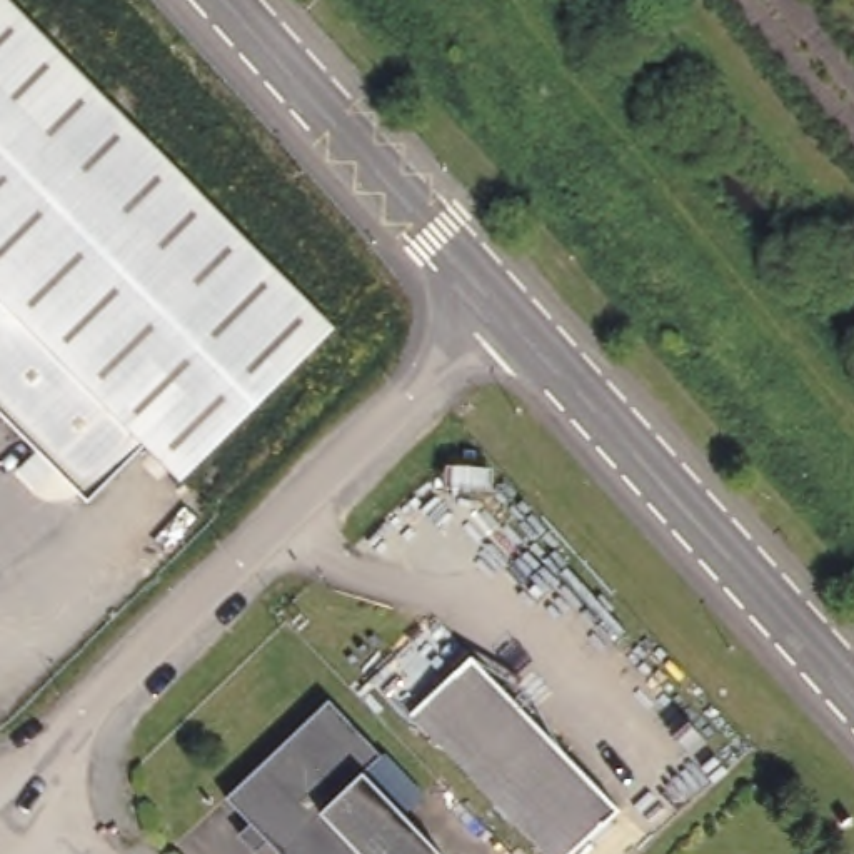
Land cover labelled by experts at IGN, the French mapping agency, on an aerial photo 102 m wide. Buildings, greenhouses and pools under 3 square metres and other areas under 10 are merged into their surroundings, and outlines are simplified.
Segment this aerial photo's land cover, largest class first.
<instances>
[{"label":"herbaceous vegetation","instance_id":"1","mask_svg":"<svg viewBox=\"0 0 854 854\"><path fill-rule=\"evenodd\" d=\"M107 97V103L117 113H123L237 227V234L247 244H254L260 257L274 264L334 327L330 337L187 477L190 490L197 494V520L187 530V537L170 550L163 564H157L143 580H137L130 594L110 604L103 617L67 654H60L13 701L7 714H0V741H7L13 727L23 721L43 724L50 711L60 707L67 691H73L90 674V667L183 574H190L203 557L214 554V547L227 534L240 527V520L264 500V494L327 427L347 417L360 400H367L384 384V377L397 370L410 330V297L390 277V270L370 254L357 227L317 190V183L284 147V140L274 130H267L247 110L244 100H237L224 87L220 73L207 63V57L190 47V40L167 20V13L153 0H10ZM337 43V50L357 67V73L364 77L367 103L377 110L390 87L410 73L427 97L447 107L437 120H420L410 133L420 137L424 147L470 193L474 217L480 224L497 203L534 200L537 227L504 250L507 257L530 260L540 270V277L560 294V300L590 327L610 307H617L627 317L624 327L637 340L617 367L630 370L687 430V437L707 454L711 440L721 434L741 444L744 467L724 480V490L747 497L764 517V524L771 530H781L784 540L801 554V560L811 567L817 594L831 580L854 584V354L834 340L831 317L854 307V274L847 270L841 280H814L791 270V277L761 280L751 267V257L764 250L767 237H791L804 227H817L821 234H827V240L844 237L854 247V177L817 150L814 137L801 133L794 110L781 103L774 87L751 63L747 50L731 37V30L714 10L704 7V0H694L691 17L681 27L667 33H644L634 23L624 37H597L587 60L567 70L557 57V0H297ZM671 50H697L701 57L714 60L721 70V90L754 127V140L724 167L731 177H717L704 163L687 167L654 153L651 147L657 137L647 127H630L624 117L627 80L644 63L664 60ZM467 404L457 414L444 410L440 424L417 447H410L380 477V484L354 507V514L344 524V537L357 544L367 540L370 524H387V517L397 507H404L420 484L437 480L447 467H484L490 470V477L507 474L514 490L524 494V500L530 504L534 517L554 524L567 540H574L577 550L590 557V564L607 580V604L624 630L620 637L627 641V647H644V664L651 667V674H657L661 684L674 687L667 704H684L687 727L701 734V747H714V761L727 774L704 797H697L684 817L671 821L657 834V841H651L641 854H794L787 831H781L761 804L771 791H784L794 777H801V784L817 794L814 814L827 817L831 804H844L837 854H854V761L801 711V704L781 687V681L694 594V587L664 560V554L637 530V524L584 470V464L544 424L530 417V407L504 380L470 384L464 387ZM744 774H754V801H737V807L711 834H704V811H711L724 797L731 777ZM414 617L357 600L324 577L280 574L260 590L257 600L247 604L240 617H234L227 634L193 667H187L180 677H173L167 691L157 694V704L140 717L127 747V781L133 784L130 807L143 827V837L153 847L180 841L210 811L220 807V797L234 791L274 747H280L327 701V694L377 744H384V751L424 791L434 787V781H444L457 794V801L477 817V824L490 831V841L520 854H537L520 831H514L490 807L487 794L447 754L434 751L424 734H414L407 721H400L397 711L370 714L350 694L360 674L347 664L344 651L354 634L377 630L384 644L394 654H400L397 644L404 641L407 624ZM180 721H200L207 731L220 734L224 751L217 754V761L200 767L180 751Z\"/></svg>","mask_w":854,"mask_h":854},{"label":"impervious surface","instance_id":"2","mask_svg":"<svg viewBox=\"0 0 854 854\"><path fill-rule=\"evenodd\" d=\"M167 13V20L190 40V47L207 57V63L220 73L224 87L237 100H244L247 110L267 130H274L284 140V147L317 183V190L357 227L370 254L390 270V277L410 297V330L397 370L384 377V384L367 400H360L347 417L327 427L264 494V500L240 520V527L227 534L214 547V554L203 557L190 574H183L90 667V674L73 691H67L60 707L50 711L43 724L23 721L13 727L7 741H0V854H277L270 844L250 847L237 834L244 827V817L220 807L210 811L180 841L153 847L143 837V827L130 807L133 784L127 781V747L140 717L157 704V694L167 691L173 677H180L187 667H193L227 634L234 617H240L247 604L257 600L260 590L280 574L324 577L357 600L414 617L407 624L404 641L397 644L400 654H394L384 644L377 630L354 634L344 651L347 664L360 674L350 694L370 714L397 711L400 721H407L410 711L457 664H464L467 657L487 664L494 681L510 697H517L530 721L540 724L560 744V751L617 804L610 817L600 821L567 854H641L651 841H657V834L671 821L684 817L697 797H704L727 774L714 761V747H701V734L687 727L684 704H667L674 687L661 684L657 674H651V667L644 664V647H627V641L620 637L624 630L607 604V580L590 564V557L577 550L574 540H567L554 524L534 517L530 504L524 500V494L514 490L507 474L490 477V470L484 467H447L437 480L420 484L404 507H397L387 517V524H370L367 540L357 544L344 537V524L354 514V507L380 484V477L410 447H417L440 424L444 410L457 414L467 404L464 387L470 384L504 380L530 407V417L544 424L584 464V470L637 524V530L664 554V560L694 587V594L781 681V687L801 704V711L854 761V634L824 610L817 594L811 567L801 560V554L784 540L781 530H771L764 524V517L747 497L724 490V480L711 467L707 454L687 437V430L630 370L617 367L604 357L590 327L560 300V294L540 277V270L530 260L507 257L504 250L490 244L480 224L474 217L470 193L424 147L420 137L410 133L387 130L377 110L367 103L364 77L357 73V67L337 50V43L297 0H153ZM150 450L130 447L120 460H113L100 477L87 484L50 447L30 440L17 417L0 407V714H7L13 701L60 654H67L103 617L110 604L130 594L137 580H143L157 564H163L170 550L187 537V530L197 520V494L190 490L187 477L150 474ZM424 821L430 824V834H437L447 854H520L490 841V831L477 824V817L457 801V794L444 781H434V787L424 791Z\"/></svg>","mask_w":854,"mask_h":854},{"label":"building","instance_id":"3","mask_svg":"<svg viewBox=\"0 0 854 854\"><path fill-rule=\"evenodd\" d=\"M334 327L274 264L260 257L254 244H247L237 234V227L123 113H117L107 103V97L10 0H0V407L17 417L30 440L50 447L87 484L100 477L113 460H120L130 447L150 450V474L187 477L330 337ZM414 734H424L434 751L447 754L487 794L490 807L514 831H520L537 854H567L600 821L610 817L617 804L560 751V744L540 724L530 721L517 697H510L494 681L487 664L467 657L464 664H457L410 711L407 721ZM220 807L244 817V827L237 834L250 847L270 844L277 854H447L437 834H430V824L424 821V791L384 751V744H377L327 694V701L280 747H274L234 791L220 797Z\"/></svg>","mask_w":854,"mask_h":854},{"label":"brushwood","instance_id":"4","mask_svg":"<svg viewBox=\"0 0 854 854\"><path fill-rule=\"evenodd\" d=\"M694 0H557V57L567 70L587 60L597 37H624L634 23L644 33H667L681 27L691 17ZM704 7L714 10L731 30V37L747 50L751 63L774 87L781 103L794 110L801 133L814 137L817 150L854 177V137L837 127L834 117L824 113L817 97L804 83L791 77L787 63L774 53L764 30L757 23H747L737 0H704ZM814 7V17L824 27V33L854 57V0H801ZM624 117L630 127H647L657 137L651 147L654 153L687 167L704 163L717 177H731L724 167L754 140V127L721 90V70L714 60L701 57L697 50H671L664 60L644 63L627 80ZM447 107L427 97L410 73L390 87L377 110L387 130L410 133L420 120H437ZM537 227L534 200L497 203L480 224L490 244L504 250ZM751 267L761 280L791 277V270L814 280H841L847 270L854 274V247L844 237L827 240V234H821L817 227H804L791 237H767L764 250L751 257ZM627 317L617 307H610L590 327L604 357L617 367L637 340L624 327ZM834 340L854 354V307L831 317ZM711 467L724 480L744 467L741 444L721 434L711 440L707 454ZM824 610L854 634V584L831 580L817 594ZM754 774H744L731 777L724 797L711 811H704V834H711L737 807V801H754ZM761 804L781 831H787L794 854H837L844 804H831L827 817L814 814L817 794L801 784V777H794L784 791H771Z\"/></svg>","mask_w":854,"mask_h":854},{"label":"pervious surface","instance_id":"5","mask_svg":"<svg viewBox=\"0 0 854 854\"><path fill-rule=\"evenodd\" d=\"M747 23H757L764 30L774 53L787 63L791 77L804 83L817 97L824 113L834 117L837 127L854 137V57L824 33V27L814 17V7L801 0H737Z\"/></svg>","mask_w":854,"mask_h":854},{"label":"deciduous trees","instance_id":"6","mask_svg":"<svg viewBox=\"0 0 854 854\"><path fill-rule=\"evenodd\" d=\"M180 751L200 767L217 761V754L224 751L220 734L207 731L200 721H180Z\"/></svg>","mask_w":854,"mask_h":854}]
</instances>
